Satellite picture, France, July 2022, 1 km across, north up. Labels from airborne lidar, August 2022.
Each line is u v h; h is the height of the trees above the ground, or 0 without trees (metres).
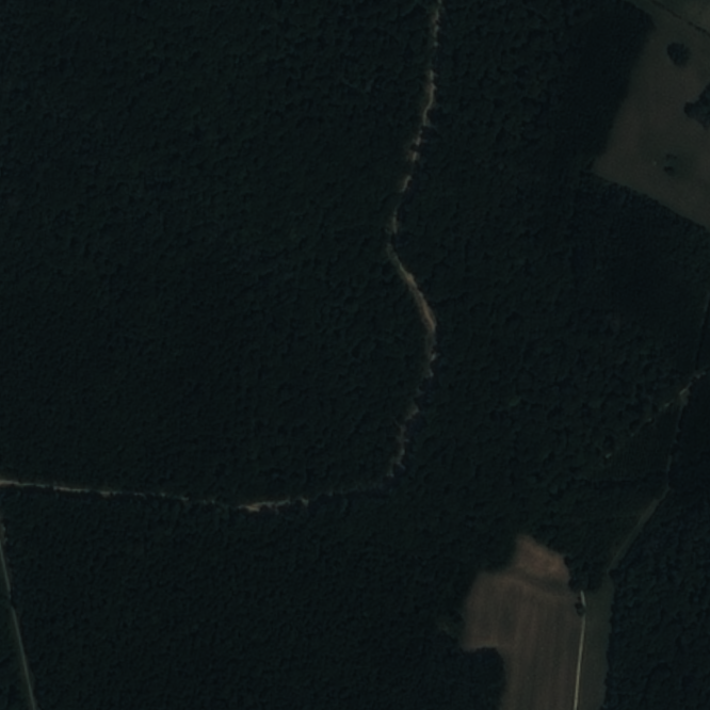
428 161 22
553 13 25
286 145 27
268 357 23
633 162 0
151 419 23
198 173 25
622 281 19
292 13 24
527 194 26
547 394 25
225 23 22
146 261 20
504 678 21
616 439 20
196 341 21
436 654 26
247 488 28
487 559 24
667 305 17
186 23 10
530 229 19
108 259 22
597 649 0
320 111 24
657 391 28
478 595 0
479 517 28
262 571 19
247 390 22
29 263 23
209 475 23
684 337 13
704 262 12
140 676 20
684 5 0
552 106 21
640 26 25
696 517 26
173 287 17
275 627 17
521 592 0
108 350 20
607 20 24
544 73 24
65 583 22
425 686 22
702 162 0
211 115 21
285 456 24
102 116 24
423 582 20
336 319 25
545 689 0
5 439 19
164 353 20
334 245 24
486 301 23
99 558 21
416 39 28
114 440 19
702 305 10
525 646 0
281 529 20
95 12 23
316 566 20
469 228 17
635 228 31
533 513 23
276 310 28
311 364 23
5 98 22
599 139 24
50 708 20
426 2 26
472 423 25
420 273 27
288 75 10
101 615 22
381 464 26
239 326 20
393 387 25
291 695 22
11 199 25
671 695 28
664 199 0
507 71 25
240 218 22
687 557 25
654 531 10
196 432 20
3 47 19
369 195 24
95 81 27
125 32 24
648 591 25
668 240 16
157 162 25
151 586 21
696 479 25
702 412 10
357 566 17
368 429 25
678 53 21
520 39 23
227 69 25
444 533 27
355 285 21
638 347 24
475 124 24
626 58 28
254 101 27
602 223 30
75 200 19
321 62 23
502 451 28
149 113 22
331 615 21
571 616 0
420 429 28
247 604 21
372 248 24
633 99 0
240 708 21
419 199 22
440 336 21
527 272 26
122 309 17
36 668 21
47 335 19
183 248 25
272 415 24
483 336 26
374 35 25
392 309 21
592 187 11
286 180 20
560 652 0
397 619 21
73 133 27
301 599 22
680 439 16
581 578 15
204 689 23
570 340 26
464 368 27
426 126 0
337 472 27
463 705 27
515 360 27
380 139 27
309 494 27
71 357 18
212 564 21
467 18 23
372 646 19
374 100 24
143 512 19
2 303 16
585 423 24
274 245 24
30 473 18
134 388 16
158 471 20
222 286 21
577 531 22
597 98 25
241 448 26
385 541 21
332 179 21
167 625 25
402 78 27
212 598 22
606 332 28
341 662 21
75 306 19
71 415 20
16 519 19
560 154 22
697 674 29
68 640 21
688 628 26
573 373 26
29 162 18
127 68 24
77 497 17
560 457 21
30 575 17
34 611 22
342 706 20
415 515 25
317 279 24
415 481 26
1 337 19
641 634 24
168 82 21
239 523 23
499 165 21
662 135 0
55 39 21
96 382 20
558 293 26
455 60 26
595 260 29
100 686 23
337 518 25
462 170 23
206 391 25
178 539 21
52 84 25
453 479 25
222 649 22
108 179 22
